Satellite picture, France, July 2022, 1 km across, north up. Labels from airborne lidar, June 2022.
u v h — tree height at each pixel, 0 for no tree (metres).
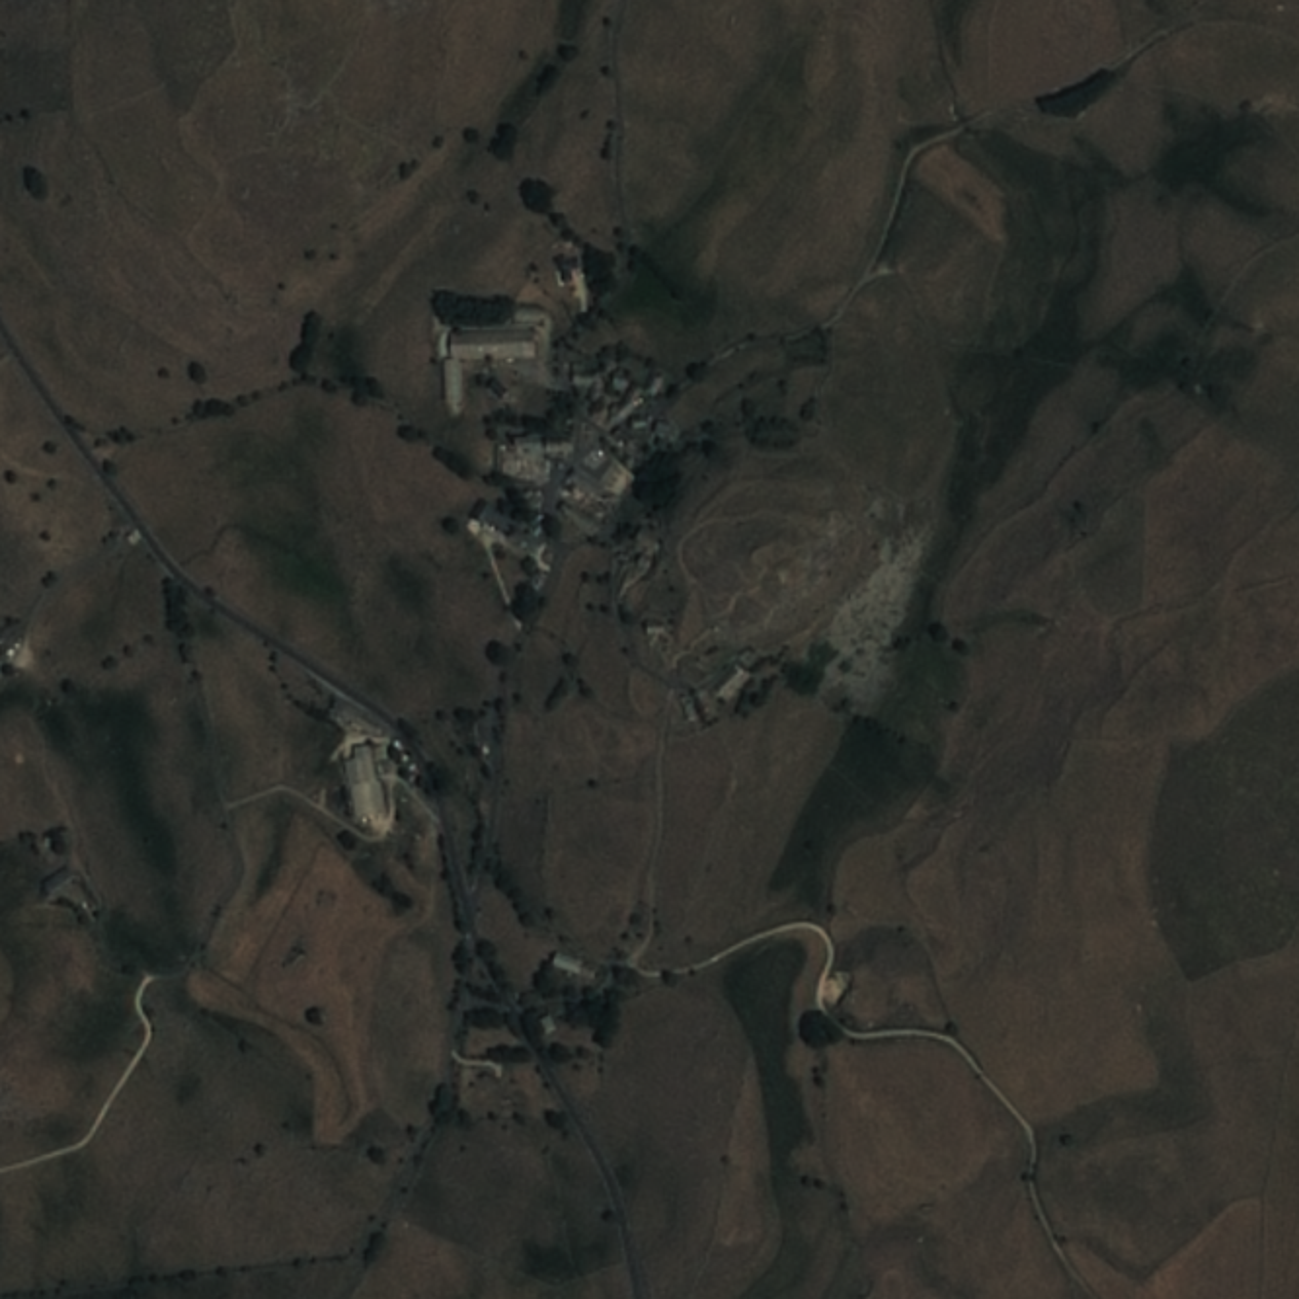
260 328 0
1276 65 0
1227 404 0
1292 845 0
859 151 0
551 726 0
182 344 0
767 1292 0
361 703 0
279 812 0
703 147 0
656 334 0
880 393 0
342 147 0
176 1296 0
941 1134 0
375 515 0
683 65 0
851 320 0
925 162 0
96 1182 0
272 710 0
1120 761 0
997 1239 0
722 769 0
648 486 19
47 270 0
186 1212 0
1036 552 0
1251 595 0
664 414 0
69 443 0
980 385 0
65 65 0
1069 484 0
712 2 0
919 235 0
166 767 0
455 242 0
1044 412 0
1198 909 0
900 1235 0
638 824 0
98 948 0
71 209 0
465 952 10
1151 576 0
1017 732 0
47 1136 0
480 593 0
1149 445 0
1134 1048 0
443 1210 0
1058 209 0
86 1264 0
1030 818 0
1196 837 0
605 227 0
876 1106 0
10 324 0
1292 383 0
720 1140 0
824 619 0
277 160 0
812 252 0
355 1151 0
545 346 0
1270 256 0
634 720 0
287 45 0
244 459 0
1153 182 0
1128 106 0
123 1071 0
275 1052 0
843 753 0
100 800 0
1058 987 0
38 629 0
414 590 0
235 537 0
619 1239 0
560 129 0
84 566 0
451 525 12
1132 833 0
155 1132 0
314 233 0
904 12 0
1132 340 0
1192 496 0
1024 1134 0
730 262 0
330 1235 0
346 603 0
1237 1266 0
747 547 0
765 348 0
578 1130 0
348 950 0
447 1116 6
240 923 0
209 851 0
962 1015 0
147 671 0
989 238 0
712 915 0
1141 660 0
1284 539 0
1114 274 0
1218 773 0
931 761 0
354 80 0
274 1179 0
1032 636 0
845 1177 0
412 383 0
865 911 0
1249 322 0
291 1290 0
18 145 0
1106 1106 0
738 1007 0
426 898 0
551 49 0
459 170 0
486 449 0
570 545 0
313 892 0
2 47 0
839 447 0
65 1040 0
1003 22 0
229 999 0
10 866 0
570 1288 0
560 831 0
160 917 0
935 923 0
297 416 0
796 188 0
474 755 7
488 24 0
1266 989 0
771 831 0
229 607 0
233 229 0
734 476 0
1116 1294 0
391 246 0
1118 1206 0
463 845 0
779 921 0
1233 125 0
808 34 0
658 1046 0
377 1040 0
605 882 0
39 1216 0
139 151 0
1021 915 0
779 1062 0
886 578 0
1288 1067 0
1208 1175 0
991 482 0
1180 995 0
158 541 0
